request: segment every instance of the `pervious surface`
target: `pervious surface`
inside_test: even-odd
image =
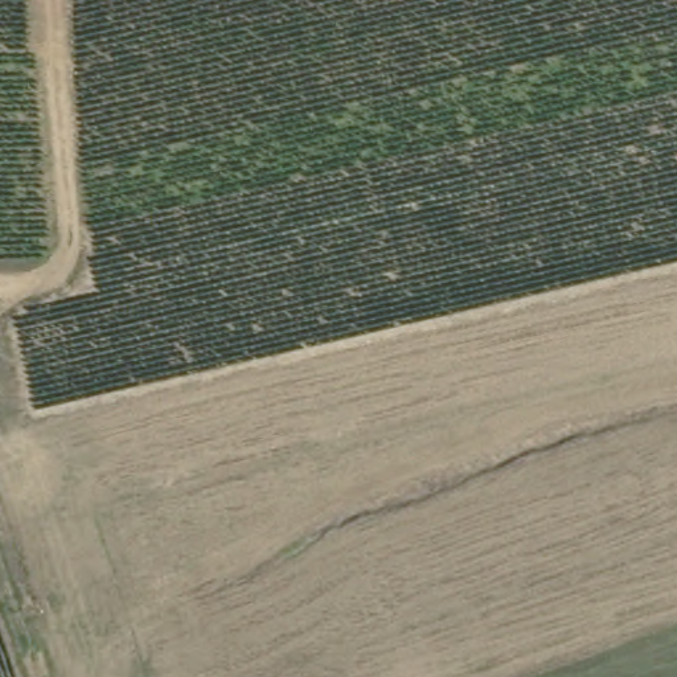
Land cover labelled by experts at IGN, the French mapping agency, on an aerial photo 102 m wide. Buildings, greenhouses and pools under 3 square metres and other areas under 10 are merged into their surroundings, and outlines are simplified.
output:
[[[77,182],[71,0],[26,0],[26,45],[40,66],[40,196],[48,206],[48,233],[42,238],[42,246],[50,251],[50,257],[26,272],[0,272],[0,315],[11,309],[16,301],[26,299],[32,296],[34,301],[50,304],[58,299],[95,291],[90,267],[93,233],[82,222]]]

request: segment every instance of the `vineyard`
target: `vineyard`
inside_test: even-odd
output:
[[[301,346],[352,339],[402,323],[431,320],[463,309],[476,309],[645,267],[677,264],[677,0],[71,0],[77,182],[82,222],[93,233],[90,267],[95,291],[58,299],[50,304],[34,301],[32,296],[26,299],[26,312],[16,315],[13,323],[21,339],[21,354],[26,362],[34,407],[50,407],[151,381],[283,354]]]
[[[42,238],[48,233],[48,206],[40,196],[40,66],[26,45],[26,0],[0,0],[0,272],[26,272],[50,257],[50,251],[42,246]]]

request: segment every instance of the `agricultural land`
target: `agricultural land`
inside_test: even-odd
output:
[[[555,669],[577,658],[595,656],[600,651],[629,643],[656,627],[677,621],[677,264],[645,267],[476,309],[463,309],[431,320],[402,323],[352,339],[301,346],[283,354],[151,381],[50,407],[34,407],[29,410],[29,418],[45,418],[42,426],[0,436],[0,492],[8,500],[13,524],[19,526],[19,539],[26,555],[34,592],[48,590],[63,598],[61,611],[45,619],[48,627],[40,635],[53,651],[58,677],[516,677],[521,672]]]

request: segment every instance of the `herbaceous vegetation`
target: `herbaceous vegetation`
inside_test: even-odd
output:
[[[656,627],[629,643],[600,651],[595,656],[577,658],[555,669],[521,672],[516,677],[677,677],[677,621]]]
[[[34,407],[26,362],[21,354],[21,339],[13,323],[16,315],[26,312],[26,299],[16,301],[11,309],[0,315],[0,436],[42,426],[45,418],[29,418],[29,410]]]
[[[19,526],[13,524],[8,500],[0,492],[0,677],[58,677],[53,651],[40,635],[48,627],[45,619],[61,611],[63,598],[48,590],[34,592],[26,555],[19,539]]]

